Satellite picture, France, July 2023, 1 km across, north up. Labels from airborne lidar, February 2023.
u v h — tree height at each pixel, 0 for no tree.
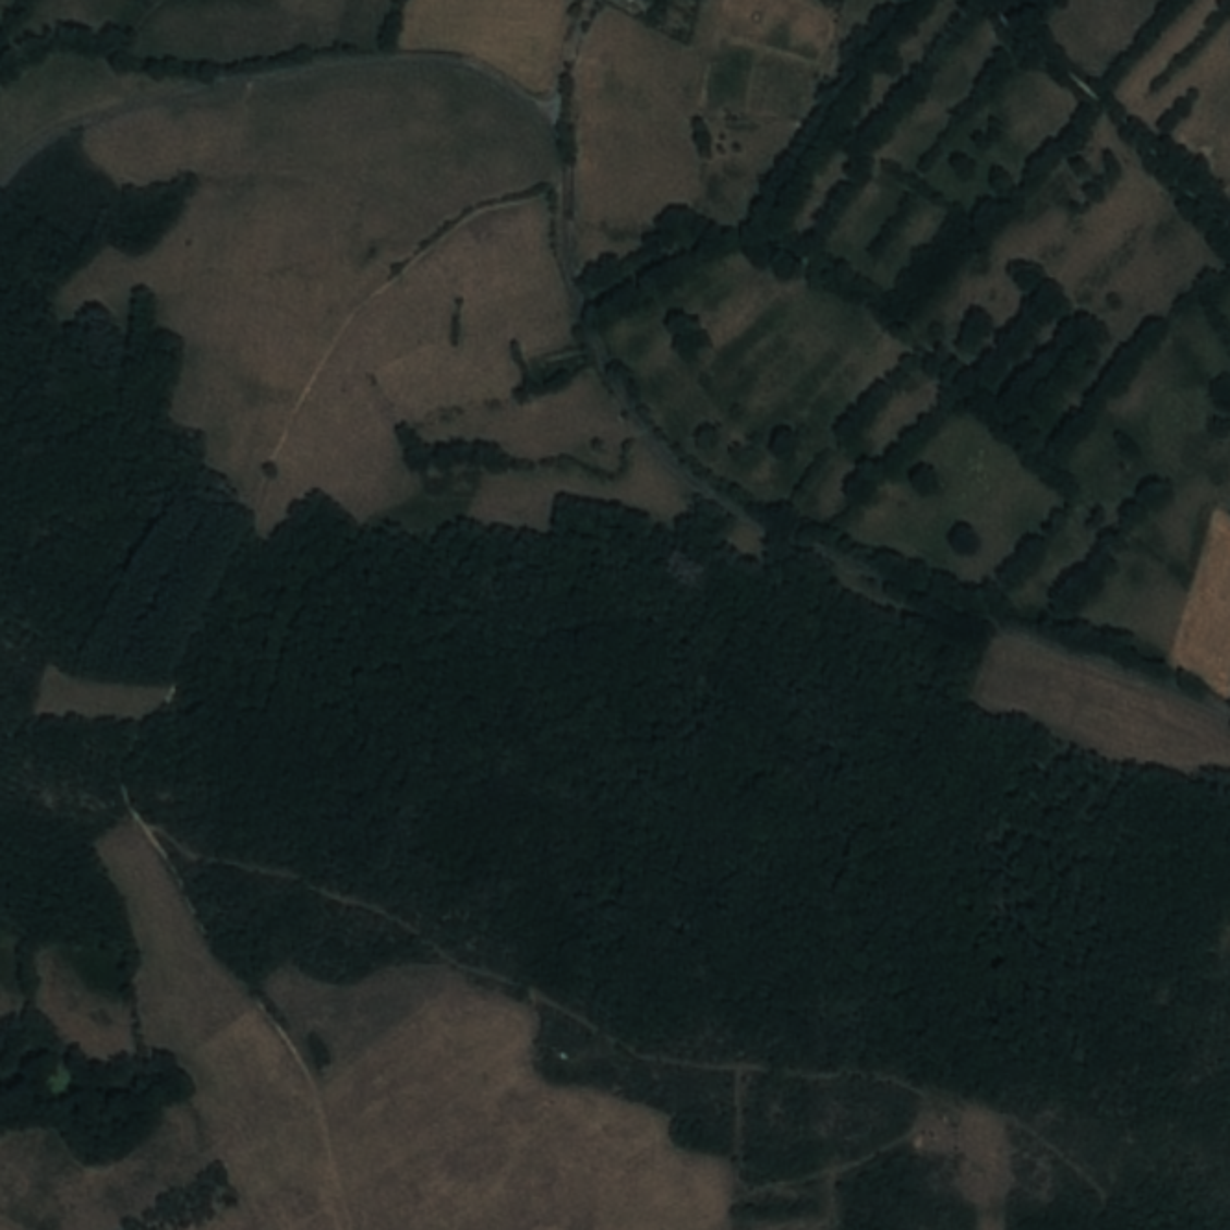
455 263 0
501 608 13
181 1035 0
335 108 0
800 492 10
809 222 0
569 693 15
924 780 19
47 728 12
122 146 0
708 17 0
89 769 9
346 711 18
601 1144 0
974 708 18
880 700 18
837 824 20
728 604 18
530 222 0
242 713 16
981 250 16
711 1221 0
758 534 0
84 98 0
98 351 16
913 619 18
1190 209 20
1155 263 0
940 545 0
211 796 6
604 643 19
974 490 0
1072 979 19
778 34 0
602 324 23
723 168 0
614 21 0
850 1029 7
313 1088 0
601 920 20
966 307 0
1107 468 0
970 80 0
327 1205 0
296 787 16
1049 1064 14
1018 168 0
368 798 16
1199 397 0
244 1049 0
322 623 18
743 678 22
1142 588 0
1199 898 16
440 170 0
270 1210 0
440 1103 0
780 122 0
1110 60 0
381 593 18
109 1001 0
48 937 19
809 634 12
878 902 17
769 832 17
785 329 0
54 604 13
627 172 0
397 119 0
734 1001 11
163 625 20
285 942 6
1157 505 19
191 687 7
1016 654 0
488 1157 0
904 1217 7
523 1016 0
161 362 14
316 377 0
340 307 0
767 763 18
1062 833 17
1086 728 0
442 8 0
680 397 0
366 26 0
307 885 8
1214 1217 6
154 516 8
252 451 0
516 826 7
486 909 7
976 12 22
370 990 0
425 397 0
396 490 0
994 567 0
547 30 0
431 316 0
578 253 0
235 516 18
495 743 11
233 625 14
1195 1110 9
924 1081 9
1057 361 21
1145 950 19
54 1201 0
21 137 0
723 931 17
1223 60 0
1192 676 14
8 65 19
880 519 0
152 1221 9
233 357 0
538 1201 0
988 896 25
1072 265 0
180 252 0
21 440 14
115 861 0
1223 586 0
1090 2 0
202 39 0
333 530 17
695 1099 7
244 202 0
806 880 19
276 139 0
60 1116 19
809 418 0
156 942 0
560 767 11
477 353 0
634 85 0
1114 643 21
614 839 13
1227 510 0
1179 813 18
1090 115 17
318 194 0
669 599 10
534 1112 0
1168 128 11
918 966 17
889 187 0
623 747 13
